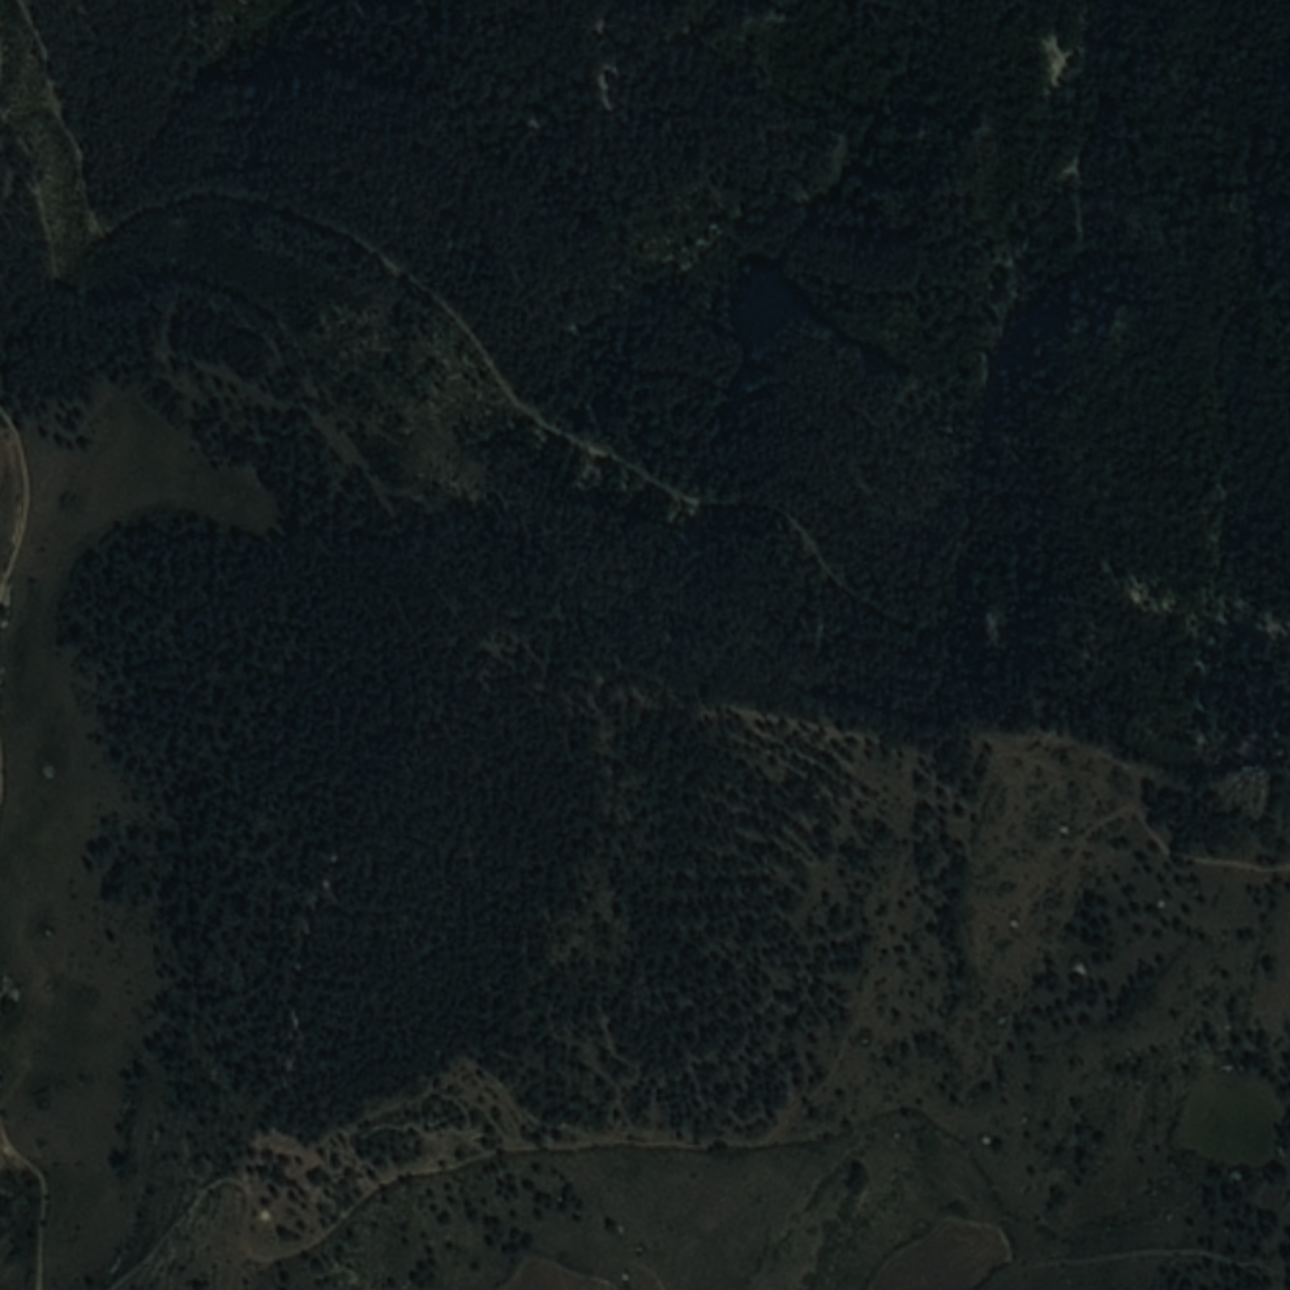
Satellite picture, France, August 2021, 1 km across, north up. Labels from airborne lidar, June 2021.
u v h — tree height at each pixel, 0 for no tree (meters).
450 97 18
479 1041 9
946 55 12
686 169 23
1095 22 10
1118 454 10
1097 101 9
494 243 24
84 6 14
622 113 18
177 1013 9
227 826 8
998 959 0
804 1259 0
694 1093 15
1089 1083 0
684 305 15
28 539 0
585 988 10
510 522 23
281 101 18
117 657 7
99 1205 0
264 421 13
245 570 14
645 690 13
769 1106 9
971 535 12
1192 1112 0
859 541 24
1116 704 8
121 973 0
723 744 11
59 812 0
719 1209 0
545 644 11
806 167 14
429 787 12
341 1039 11
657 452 21
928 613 18
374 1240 0
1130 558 7
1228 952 0
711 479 25
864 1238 0
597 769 7
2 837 0
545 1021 12
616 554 16
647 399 24
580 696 9
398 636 15
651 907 15
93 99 19
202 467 0
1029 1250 0
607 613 15
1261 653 18
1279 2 7
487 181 20
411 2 14
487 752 15
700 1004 12
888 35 8
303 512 16
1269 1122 0
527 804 13
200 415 10
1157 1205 0
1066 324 9
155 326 13
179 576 13
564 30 26
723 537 19
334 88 19
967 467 17
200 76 10
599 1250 0
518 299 20
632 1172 0
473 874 7
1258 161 11
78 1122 0
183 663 11
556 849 8
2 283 11
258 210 8
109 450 0
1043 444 7
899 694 15
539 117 20
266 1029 7
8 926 0
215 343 11
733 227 15
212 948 15
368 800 10
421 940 10
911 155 17
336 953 10
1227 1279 9
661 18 18
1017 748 0
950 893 10
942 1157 0
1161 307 7
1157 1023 0
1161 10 7
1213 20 10
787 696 11
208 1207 0
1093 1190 0
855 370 18
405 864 10
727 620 14
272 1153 7
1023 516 16
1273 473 7
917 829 9
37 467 0
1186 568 8
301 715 12
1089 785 0
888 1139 0
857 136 15
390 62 7
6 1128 0
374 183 18
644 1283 0
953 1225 0
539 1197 11
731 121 25
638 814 8
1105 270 7
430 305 19
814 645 17
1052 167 7
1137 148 8
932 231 20
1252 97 11
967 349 7
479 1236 0
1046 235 7
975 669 10
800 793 15
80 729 0
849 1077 0
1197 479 10
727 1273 0
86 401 14
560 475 7
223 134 19
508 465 15
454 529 17
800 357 19
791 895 13
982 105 7
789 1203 0
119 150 25
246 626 11
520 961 15
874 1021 0
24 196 13
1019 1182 0
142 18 24
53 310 16
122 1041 0
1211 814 6
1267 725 9
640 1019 8
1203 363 8
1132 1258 0
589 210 10
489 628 13
